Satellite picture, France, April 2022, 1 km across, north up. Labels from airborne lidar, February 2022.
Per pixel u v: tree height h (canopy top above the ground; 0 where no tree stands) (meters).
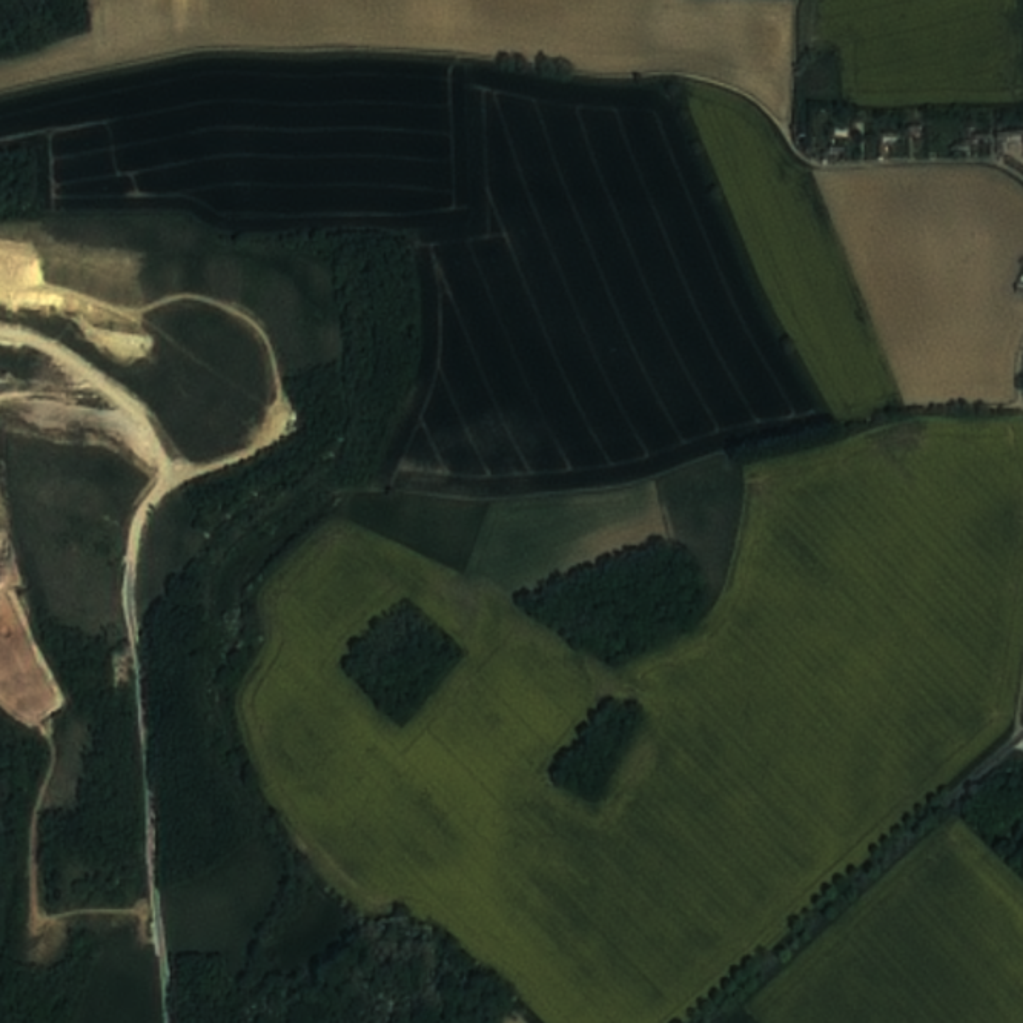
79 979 14
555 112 0
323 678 0
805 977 0
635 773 0
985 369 0
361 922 8
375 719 0
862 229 0
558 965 0
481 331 0
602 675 0
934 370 0
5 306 0
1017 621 0
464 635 0
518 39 0
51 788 0
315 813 0
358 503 0
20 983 13
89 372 0
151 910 0
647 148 0
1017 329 0
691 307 0
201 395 0
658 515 0
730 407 0
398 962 18
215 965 10
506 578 0
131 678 6
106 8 0
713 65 0
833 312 0
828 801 0
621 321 0
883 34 0
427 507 0
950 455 0
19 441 0
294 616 0
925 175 0
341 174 0
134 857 15
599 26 0
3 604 0
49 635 6
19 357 0
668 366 0
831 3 0
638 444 0
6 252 0
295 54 0
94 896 11
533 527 0
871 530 0
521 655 0
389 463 0
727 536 0
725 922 0
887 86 0
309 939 0
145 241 0
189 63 0
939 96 0
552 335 0
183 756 19
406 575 0
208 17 0
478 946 0
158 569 0
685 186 0
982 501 0
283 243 6
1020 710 0
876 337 0
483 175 0
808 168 0
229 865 0
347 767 0
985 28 0
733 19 0
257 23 0
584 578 17
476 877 0
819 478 0
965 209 0
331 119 0
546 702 0
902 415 11
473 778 0
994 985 0
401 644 16
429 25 0
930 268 0
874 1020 0
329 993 22
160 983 0
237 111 0
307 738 0
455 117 0
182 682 16
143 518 0
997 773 7
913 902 0
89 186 0
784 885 0
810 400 0
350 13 0
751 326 0
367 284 18
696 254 0
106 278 0
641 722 17
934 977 0
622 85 0
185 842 19
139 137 0
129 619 0
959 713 0
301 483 8
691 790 0
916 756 0
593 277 0
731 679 0
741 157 0
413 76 0
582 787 20
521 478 0
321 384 13
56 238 0
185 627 14
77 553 0
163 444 0
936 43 0
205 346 0
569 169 0
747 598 0
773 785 0
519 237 0
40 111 0
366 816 0
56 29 21
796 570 0
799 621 0
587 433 0
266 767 0
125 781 19
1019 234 0
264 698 0
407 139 0
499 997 21
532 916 0
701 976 0
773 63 0
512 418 0
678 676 0
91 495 0
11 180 11
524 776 0
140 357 0
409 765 0
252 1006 6
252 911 0
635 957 0
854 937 0
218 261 0
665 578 20
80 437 0
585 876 0
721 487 0
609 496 0
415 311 17
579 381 0
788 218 0
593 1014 0
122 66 0
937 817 12
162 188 0
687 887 0
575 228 0
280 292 0
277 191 0
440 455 0
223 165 0
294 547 12
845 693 0
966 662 0
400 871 0
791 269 0
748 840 0
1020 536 0
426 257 0
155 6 0
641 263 0
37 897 0
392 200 0
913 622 0
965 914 0
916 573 0
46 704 0
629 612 21
